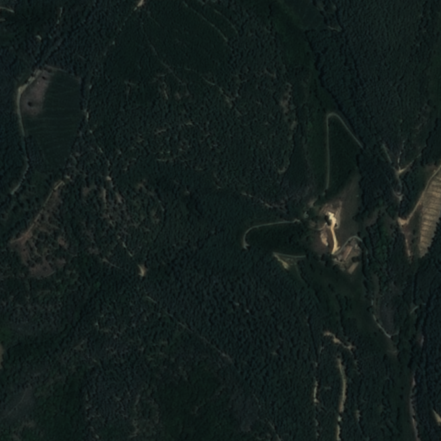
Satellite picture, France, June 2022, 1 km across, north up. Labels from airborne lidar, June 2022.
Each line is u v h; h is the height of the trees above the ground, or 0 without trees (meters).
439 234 28
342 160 6
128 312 9
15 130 32
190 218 18
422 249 0
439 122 22
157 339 23
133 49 10
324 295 21
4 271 10
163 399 12
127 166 18
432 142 21
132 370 17
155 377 11
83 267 20
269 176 24
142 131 25
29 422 8
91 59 20
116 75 17
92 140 19
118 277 13
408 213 24
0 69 19
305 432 23
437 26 20
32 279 13
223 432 10
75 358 6
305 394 19
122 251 14
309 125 16
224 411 10
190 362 8
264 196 13
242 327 21
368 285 28
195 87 10
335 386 28
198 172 24
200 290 32
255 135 23
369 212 12
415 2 21
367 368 24
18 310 12
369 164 17
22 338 7
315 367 27
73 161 19
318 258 15
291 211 31
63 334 14
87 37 16
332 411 18
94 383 16
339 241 0
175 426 10
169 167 29
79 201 16
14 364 9
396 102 18
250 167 22
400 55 26
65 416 19
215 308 28
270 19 17
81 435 14
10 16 17
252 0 20
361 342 27
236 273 29
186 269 29
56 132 0
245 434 10
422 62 23
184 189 22
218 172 15
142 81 10
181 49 10
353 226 0
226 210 33
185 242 24
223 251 30
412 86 22
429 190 0
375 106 25
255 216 34
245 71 27
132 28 11
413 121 10
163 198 27
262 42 27
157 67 8
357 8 25
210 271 18
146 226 21
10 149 29
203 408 9
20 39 11
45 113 0
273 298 31
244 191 7
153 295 15
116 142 22
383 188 17
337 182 6
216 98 23
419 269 12
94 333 10
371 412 35
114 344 16
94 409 11
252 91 24
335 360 26
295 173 15
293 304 17
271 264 21
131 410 12
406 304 23
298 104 19
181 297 26
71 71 19
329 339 23
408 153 14
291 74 12
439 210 0
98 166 21
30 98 0
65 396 15
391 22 14
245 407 10
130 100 11
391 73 22
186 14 12
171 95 7
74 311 23
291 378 22
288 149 21
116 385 14
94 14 17
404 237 18
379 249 10
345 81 27
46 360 14
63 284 14
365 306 0
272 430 10
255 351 21
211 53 12
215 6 12
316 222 9
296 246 13
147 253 21
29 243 14
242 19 18
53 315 13
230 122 21
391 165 8
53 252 8
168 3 11
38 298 11
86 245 14
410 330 26
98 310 13
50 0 29
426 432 11
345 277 0
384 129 21
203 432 9
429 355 19
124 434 14
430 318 27
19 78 25
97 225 15
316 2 27
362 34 23
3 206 15
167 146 22
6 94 20
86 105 15
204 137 21
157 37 8
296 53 19
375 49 23
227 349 21
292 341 29
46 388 7
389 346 0
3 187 24
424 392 31
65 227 15
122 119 24
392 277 17
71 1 15
